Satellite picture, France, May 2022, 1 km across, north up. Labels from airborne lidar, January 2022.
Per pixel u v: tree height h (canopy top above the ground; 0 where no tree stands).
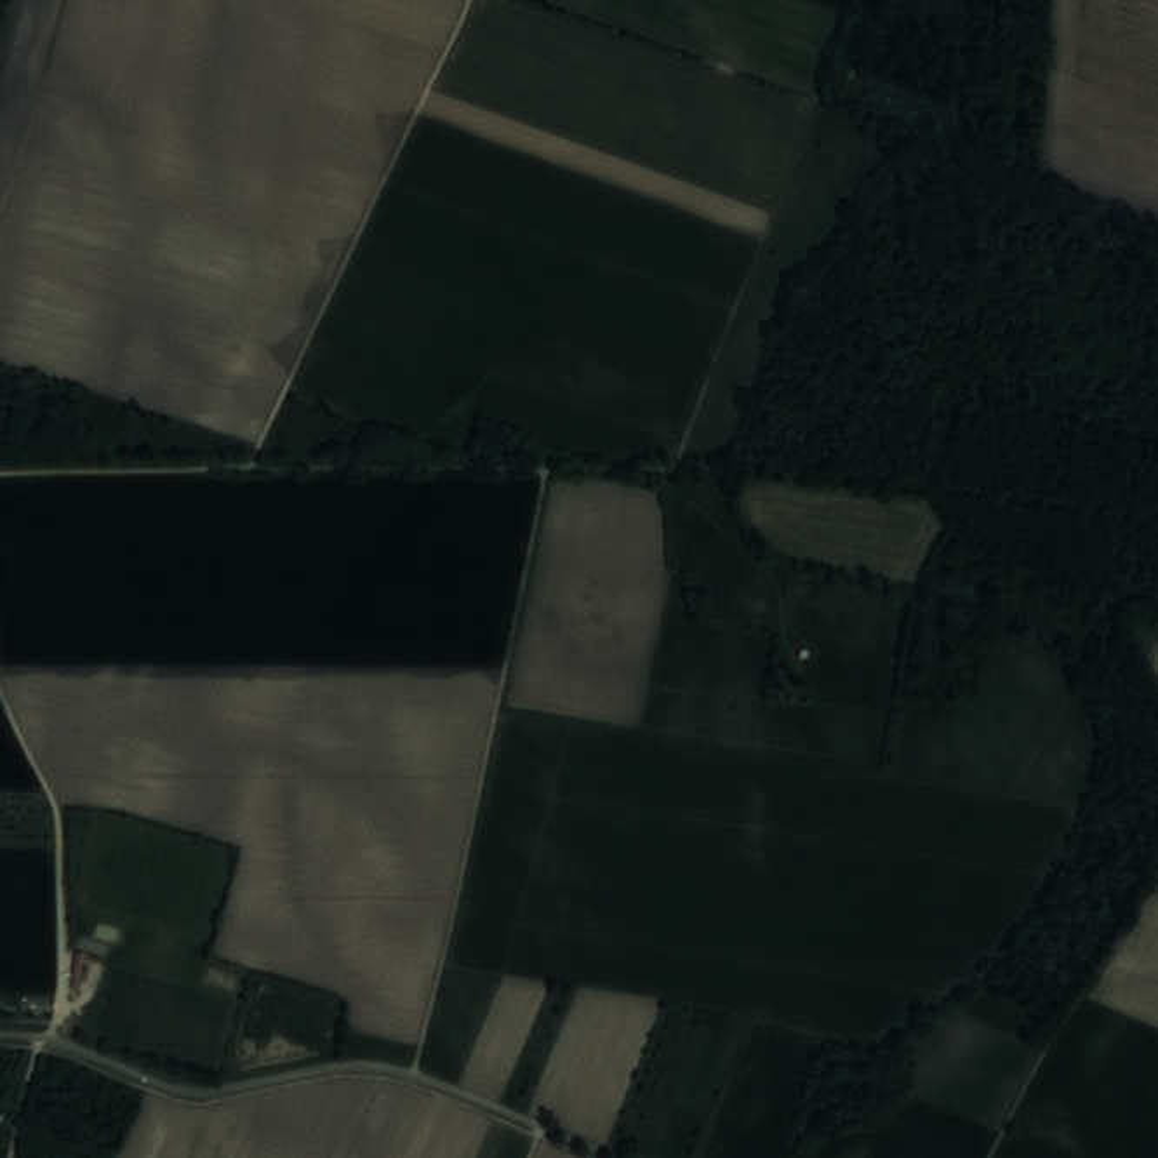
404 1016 0
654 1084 0
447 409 0
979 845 0
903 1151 0
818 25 0
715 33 0
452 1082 0
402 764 0
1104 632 10
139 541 0
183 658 0
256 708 0
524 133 0
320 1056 0
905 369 14
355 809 0
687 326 0
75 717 0
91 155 0
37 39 0
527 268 0
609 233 0
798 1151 6
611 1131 0
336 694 0
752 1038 0
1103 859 21
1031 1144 0
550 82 0
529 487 0
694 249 0
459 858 0
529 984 0
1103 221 17
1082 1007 0
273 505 0
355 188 0
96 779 0
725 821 0
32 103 0
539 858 0
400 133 0
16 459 10
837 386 19
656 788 0
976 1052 0
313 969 0
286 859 0
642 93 0
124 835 0
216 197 0
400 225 0
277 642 0
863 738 0
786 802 0
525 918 0
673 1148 0
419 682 0
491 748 0
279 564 0
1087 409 21
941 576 9
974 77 32
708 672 0
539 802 0
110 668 0
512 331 0
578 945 0
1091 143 0
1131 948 0
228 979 0
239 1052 0
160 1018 0
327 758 0
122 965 0
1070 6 0
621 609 0
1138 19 0
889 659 0
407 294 0
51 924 0
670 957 0
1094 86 0
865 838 0
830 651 0
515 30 0
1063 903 23
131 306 0
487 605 0
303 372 0
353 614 0
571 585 0
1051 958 16
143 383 0
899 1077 23
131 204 0
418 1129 0
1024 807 0
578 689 0
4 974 0
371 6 0
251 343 0
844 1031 0
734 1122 0
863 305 21
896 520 0
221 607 0
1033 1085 0
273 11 0
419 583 0
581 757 0
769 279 0
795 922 0
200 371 0
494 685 0
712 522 0
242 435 0
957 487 10
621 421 0
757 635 0
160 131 0
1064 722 0
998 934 0
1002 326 12
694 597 13
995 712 0
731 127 0
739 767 0
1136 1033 0
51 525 0
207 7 0
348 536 0
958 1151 0
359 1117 0
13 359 0
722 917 0
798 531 0
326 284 0
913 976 0
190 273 0
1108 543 19
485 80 0
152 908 0
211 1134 0
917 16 14
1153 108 0
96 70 0
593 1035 0
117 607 0
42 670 0
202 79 0
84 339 0
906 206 31
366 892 0
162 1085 0
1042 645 7
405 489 0
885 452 21
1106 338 19
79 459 10
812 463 13
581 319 0
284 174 0
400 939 0
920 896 0
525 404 0
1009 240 9
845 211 19
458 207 0
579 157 0
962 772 0
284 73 0
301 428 0
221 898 0
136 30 0
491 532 0
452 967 0
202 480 0
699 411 0
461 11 0
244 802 0
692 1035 0
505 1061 0
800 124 0
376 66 0
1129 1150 0
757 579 0
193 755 0
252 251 0
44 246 0
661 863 0
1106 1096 0
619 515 0
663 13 0
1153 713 25
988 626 6
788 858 0
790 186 0
